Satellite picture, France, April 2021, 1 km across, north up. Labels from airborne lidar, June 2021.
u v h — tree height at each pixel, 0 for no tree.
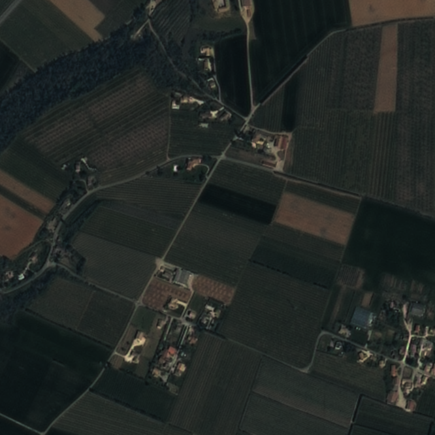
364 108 9
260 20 0
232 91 0
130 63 13
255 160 0
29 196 0
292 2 0
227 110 8
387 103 0
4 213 0
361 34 8
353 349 12
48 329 0
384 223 0
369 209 0
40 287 9
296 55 0
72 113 5
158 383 6
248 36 0
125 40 15
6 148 11
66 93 10
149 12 0
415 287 0
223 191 0
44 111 11
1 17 0
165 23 0
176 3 0
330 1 0
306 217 0
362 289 0
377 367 10
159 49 19
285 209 0
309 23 0
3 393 0
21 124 15
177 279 0
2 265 9
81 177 13
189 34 0
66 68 13
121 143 6
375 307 0
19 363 0
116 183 0
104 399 13
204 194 0
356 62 8
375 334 0
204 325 9
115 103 7
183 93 6
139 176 0
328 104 8
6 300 18
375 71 8
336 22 0
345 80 9
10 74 0
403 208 10
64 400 0
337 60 6
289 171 0
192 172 8
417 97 8
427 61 9
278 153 0
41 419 0
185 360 0
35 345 0
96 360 0
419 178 6
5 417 0
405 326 0
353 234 0
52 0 0
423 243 0
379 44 6
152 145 6
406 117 6
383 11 0
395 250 0
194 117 0
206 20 0
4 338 0
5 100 12
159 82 12
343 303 0
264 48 0
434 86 7
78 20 0
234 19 0
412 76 6
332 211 0
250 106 0
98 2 0
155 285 0
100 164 6
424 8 0
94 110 6
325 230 0
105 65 10
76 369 0
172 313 0
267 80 0
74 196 10
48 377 0
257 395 6
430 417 8
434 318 0
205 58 8
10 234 0
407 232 0
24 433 0
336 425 7
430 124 7
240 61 0
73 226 7
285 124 0
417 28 7
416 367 11
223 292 0
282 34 0
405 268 0
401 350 0
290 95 0
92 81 13
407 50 7
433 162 5
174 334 0
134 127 7
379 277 0
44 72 12
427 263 0
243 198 0
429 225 0
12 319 0
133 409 12
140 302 0
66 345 0
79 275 7
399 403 0
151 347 0
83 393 0
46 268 0
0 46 0
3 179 0
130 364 0
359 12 0
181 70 18
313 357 0
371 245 0
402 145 7
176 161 0
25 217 0
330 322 0
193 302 0
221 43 0
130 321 0
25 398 0
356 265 0
